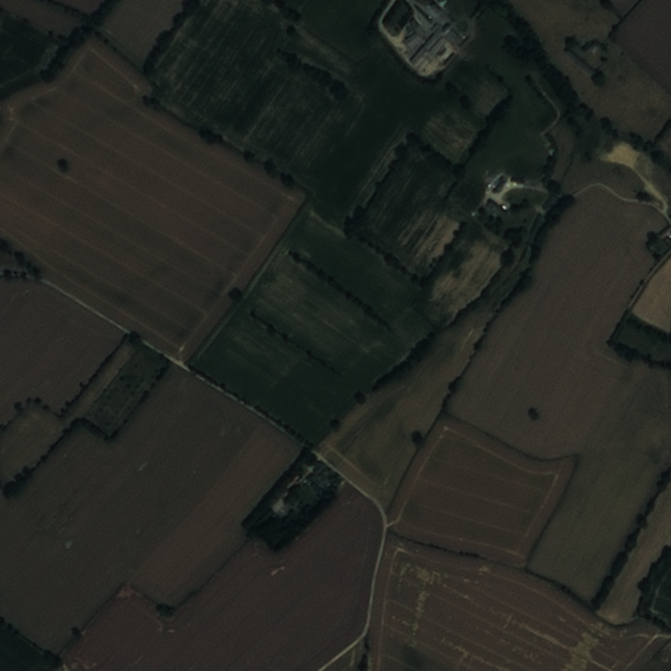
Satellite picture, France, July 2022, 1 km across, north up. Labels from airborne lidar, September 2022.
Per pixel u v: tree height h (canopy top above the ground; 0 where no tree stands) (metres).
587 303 0
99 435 12
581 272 0
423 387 0
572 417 0
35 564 0
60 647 0
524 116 0
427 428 0
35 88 0
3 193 0
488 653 0
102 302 0
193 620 0
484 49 0
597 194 0
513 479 0
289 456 0
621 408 0
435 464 0
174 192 0
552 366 0
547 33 0
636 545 9
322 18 0
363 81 0
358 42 0
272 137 0
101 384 0
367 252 0
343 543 0
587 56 0
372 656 0
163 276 0
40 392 0
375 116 0
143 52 0
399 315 0
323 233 0
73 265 0
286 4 18
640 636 0
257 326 0
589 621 0
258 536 6
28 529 0
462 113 0
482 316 0
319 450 0
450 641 0
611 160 0
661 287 0
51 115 0
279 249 0
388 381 13
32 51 0
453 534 0
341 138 0
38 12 0
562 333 0
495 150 0
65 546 0
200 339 0
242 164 0
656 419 0
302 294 0
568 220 0
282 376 0
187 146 0
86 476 0
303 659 0
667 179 0
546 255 0
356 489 0
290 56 10
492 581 0
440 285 0
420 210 0
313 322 0
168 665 0
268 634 0
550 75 18
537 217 0
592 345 0
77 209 0
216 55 0
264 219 0
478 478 0
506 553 0
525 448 0
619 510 0
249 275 0
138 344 17
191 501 0
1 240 12
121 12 0
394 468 0
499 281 9
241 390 0
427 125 0
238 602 0
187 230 0
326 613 0
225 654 0
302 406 0
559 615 0
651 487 0
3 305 0
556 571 0
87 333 0
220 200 0
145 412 0
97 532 0
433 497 0
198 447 0
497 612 0
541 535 0
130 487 0
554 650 0
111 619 0
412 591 0
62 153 0
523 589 0
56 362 0
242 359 0
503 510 0
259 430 0
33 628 0
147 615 0
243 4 0
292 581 0
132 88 0
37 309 0
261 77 0
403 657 0
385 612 0
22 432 0
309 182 0
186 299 0
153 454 0
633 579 0
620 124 0
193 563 0
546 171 13
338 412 0
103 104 0
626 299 0
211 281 0
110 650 0
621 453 0
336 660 0
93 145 0
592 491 0
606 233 0
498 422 0
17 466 0
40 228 0
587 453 0
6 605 0
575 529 0
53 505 0
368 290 0
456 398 0
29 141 0
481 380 0
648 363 15
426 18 8
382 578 0
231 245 0
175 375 0
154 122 0
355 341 0
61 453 0
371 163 0
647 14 0
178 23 16
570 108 16
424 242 0
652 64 0
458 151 0
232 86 0
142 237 0
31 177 0
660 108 0
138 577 0
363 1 0
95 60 0
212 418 0
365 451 0
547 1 0
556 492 0
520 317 0
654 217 0
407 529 0
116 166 0
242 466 0
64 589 0
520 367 0
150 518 0
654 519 0
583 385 0
